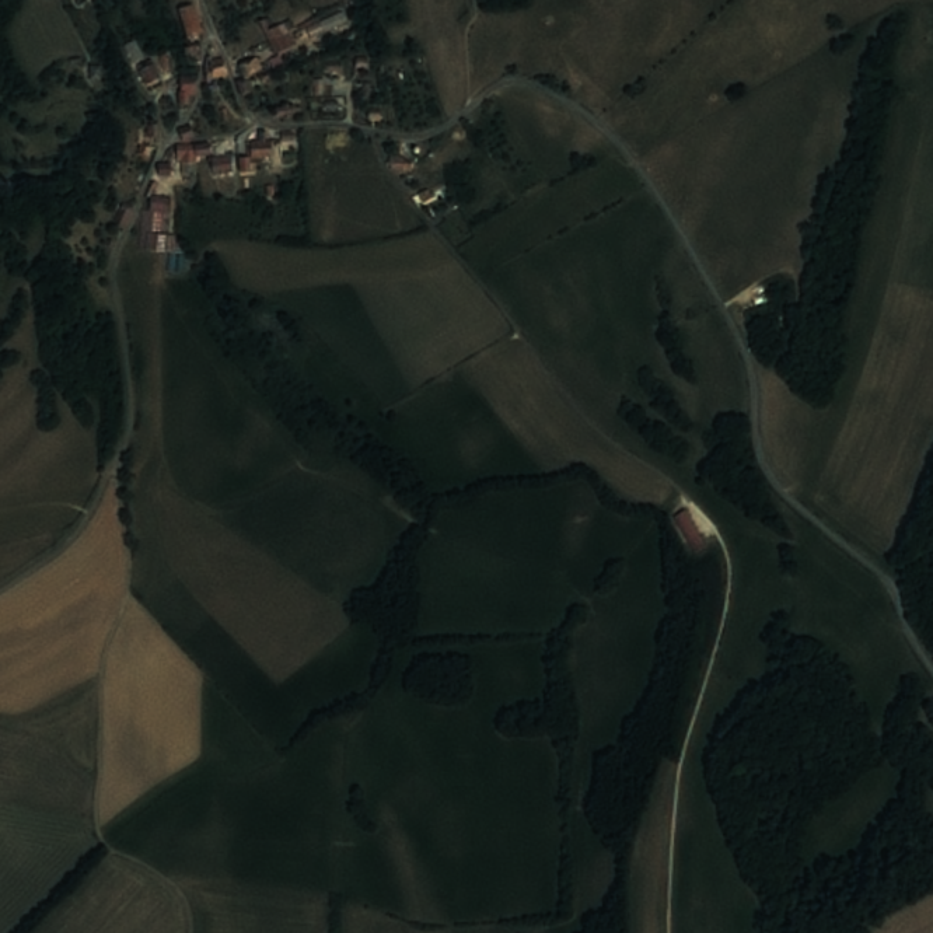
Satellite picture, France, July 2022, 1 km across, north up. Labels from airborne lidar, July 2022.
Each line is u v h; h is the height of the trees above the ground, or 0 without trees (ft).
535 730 57
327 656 0
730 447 52
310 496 0
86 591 0
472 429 0
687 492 0
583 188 0
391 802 0
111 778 0
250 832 0
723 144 0
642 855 0
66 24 0
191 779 0
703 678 0
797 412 0
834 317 75
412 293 0
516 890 0
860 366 0
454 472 0
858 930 64
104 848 39
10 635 0
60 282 48
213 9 0
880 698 0
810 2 0
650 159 0
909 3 0
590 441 0
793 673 82
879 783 0
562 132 0
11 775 0
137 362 0
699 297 0
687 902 0
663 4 0
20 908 0
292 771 0
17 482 0
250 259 0
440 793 0
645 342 0
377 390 0
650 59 0
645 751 69
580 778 0
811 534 0
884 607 0
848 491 0
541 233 0
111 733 0
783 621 57
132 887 0
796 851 63
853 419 0
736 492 62
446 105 0
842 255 69
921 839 63
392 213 0
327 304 0
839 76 0
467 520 0
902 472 0
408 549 46
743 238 0
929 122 0
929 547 61
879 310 0
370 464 52
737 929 0
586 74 0
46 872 0
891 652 0
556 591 0
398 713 0
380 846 0
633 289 0
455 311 0
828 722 73
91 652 0
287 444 0
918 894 53
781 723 72
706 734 0
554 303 0
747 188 0
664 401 33
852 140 30
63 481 0
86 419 22
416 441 0
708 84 0
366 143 37
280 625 0
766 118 0
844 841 0
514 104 0
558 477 46
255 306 40
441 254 0
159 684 0
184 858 0
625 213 0
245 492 0
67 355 33
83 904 0
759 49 0
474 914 0
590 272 0
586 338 0
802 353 55
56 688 0
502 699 0
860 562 0
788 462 0
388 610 59
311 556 0
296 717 0
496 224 0
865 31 0
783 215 0
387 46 64
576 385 0
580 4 0
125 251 0
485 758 0
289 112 0
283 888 0
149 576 0
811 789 79
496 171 0
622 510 50
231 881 0
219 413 0
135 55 0
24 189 68
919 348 0
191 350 0
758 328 45
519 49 0
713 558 0
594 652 0
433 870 0
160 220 0
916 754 59
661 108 0
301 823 0
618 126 0
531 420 0
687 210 0
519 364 0
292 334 24
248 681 0
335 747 0
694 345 0
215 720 0
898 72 0
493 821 0
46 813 0
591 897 0
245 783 0
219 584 0
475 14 0
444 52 0
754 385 0
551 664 58
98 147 58
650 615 0
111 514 0
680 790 0
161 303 0
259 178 0
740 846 59
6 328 46
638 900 0
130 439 0
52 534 0
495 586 0
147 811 0
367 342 0
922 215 0
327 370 0
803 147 0
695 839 0
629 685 0
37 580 0
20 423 0
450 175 24
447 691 63
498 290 0
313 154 0
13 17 42
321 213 0
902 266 0
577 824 0
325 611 0
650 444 23
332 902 17
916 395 0
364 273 0
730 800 66
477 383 0
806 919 79
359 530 0
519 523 0
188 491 0
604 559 0
